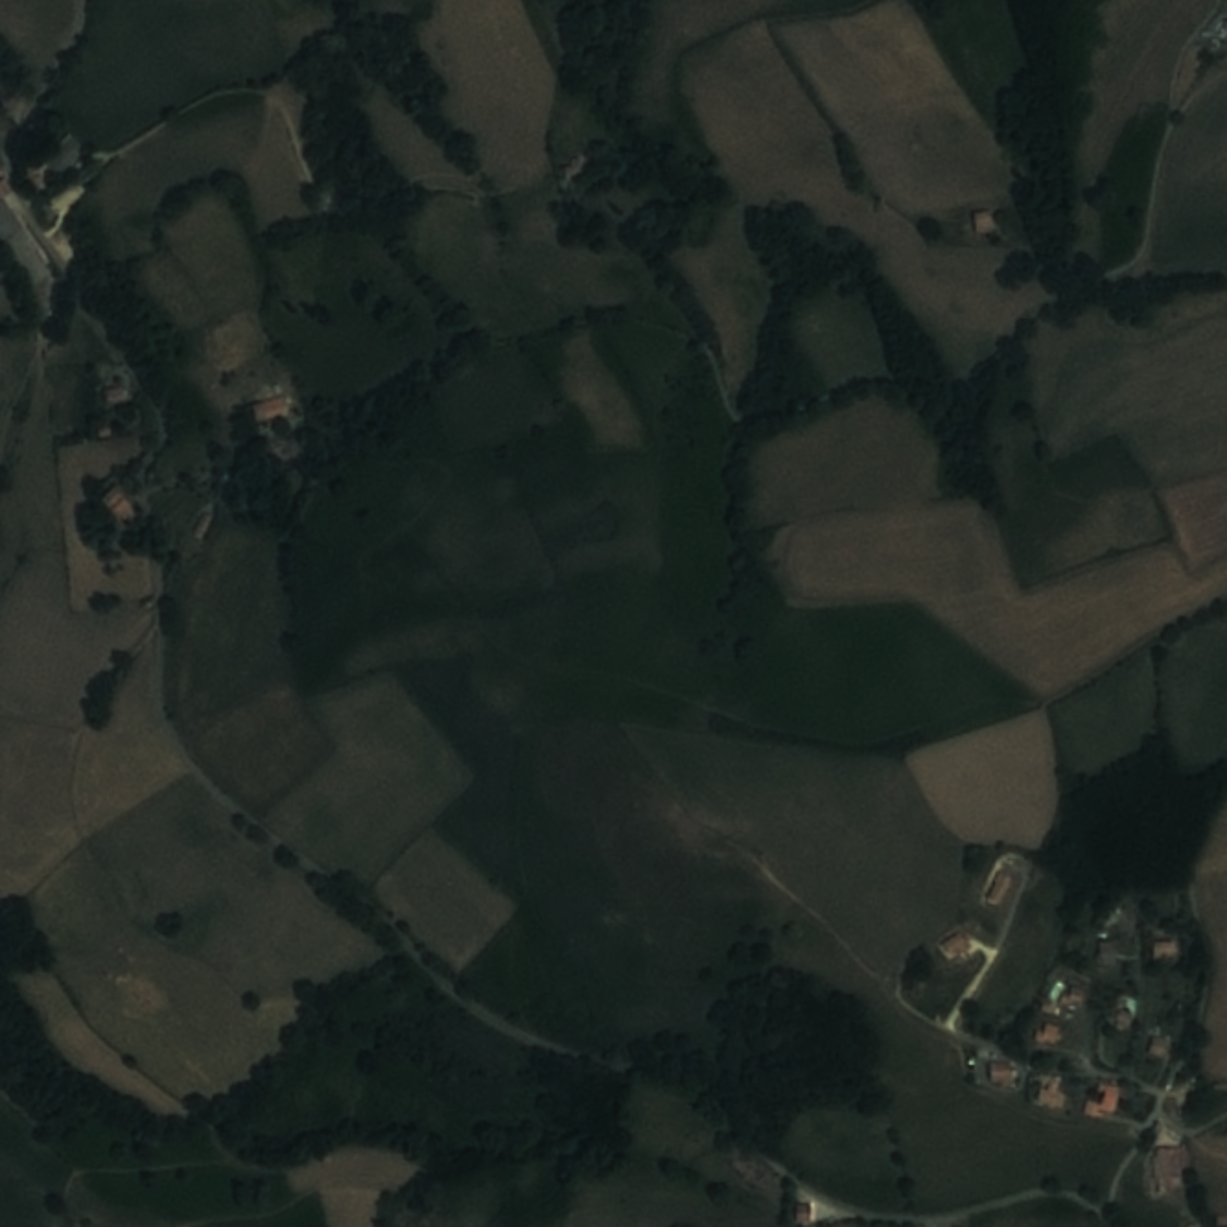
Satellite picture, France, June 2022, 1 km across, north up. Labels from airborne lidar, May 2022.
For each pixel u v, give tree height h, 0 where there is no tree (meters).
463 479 0
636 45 9
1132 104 0
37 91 0
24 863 0
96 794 0
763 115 0
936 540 0
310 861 0
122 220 0
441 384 11
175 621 12
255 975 0
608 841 0
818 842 0
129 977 0
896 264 0
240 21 0
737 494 11
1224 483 0
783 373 9
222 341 0
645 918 0
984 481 14
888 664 0
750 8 0
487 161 0
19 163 20
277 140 0
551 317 0
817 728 0
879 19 0
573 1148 14
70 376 0
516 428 0
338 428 6
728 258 0
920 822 0
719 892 0
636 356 0
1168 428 0
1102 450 0
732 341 0
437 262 0
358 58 9
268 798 0
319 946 0
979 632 0
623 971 0
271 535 11
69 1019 0
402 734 0
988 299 0
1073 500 0
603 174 15
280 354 10
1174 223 0
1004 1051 12
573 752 0
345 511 0
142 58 0
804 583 0
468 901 0
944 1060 0
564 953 0
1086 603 0
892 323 23
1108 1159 0
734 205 0
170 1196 0
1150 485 0
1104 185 13
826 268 19
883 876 0
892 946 0
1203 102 0
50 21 0
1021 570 0
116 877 0
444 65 0
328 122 25
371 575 0
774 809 0
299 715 0
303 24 0
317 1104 0
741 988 15
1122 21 0
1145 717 0
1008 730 0
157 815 0
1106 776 9
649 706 0
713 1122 13
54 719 0
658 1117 0
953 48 0
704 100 0
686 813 0
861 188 13
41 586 0
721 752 0
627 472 0
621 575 0
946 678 0
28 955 20
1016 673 0
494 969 0
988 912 0
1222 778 11
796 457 0
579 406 0
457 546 0
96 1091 20
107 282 14
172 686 0
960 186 0
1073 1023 0
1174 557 0
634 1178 0
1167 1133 0
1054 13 18
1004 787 0
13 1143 0
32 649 0
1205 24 0
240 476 15
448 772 0
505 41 0
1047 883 0
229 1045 0
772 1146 15
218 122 0
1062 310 14
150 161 0
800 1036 8
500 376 0
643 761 0
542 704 0
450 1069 15
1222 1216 0
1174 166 0
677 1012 0
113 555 8
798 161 0
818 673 0
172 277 0
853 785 0
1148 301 18
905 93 0
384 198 7
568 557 0
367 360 0
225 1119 25
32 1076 24
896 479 0
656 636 0
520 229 0
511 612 0
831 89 0
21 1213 0
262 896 0
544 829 0
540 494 0
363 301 22
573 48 16
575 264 0
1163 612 0
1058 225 20
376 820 0
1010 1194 0
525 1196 0
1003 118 16
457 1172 8
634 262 0
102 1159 0
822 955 0
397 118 0
